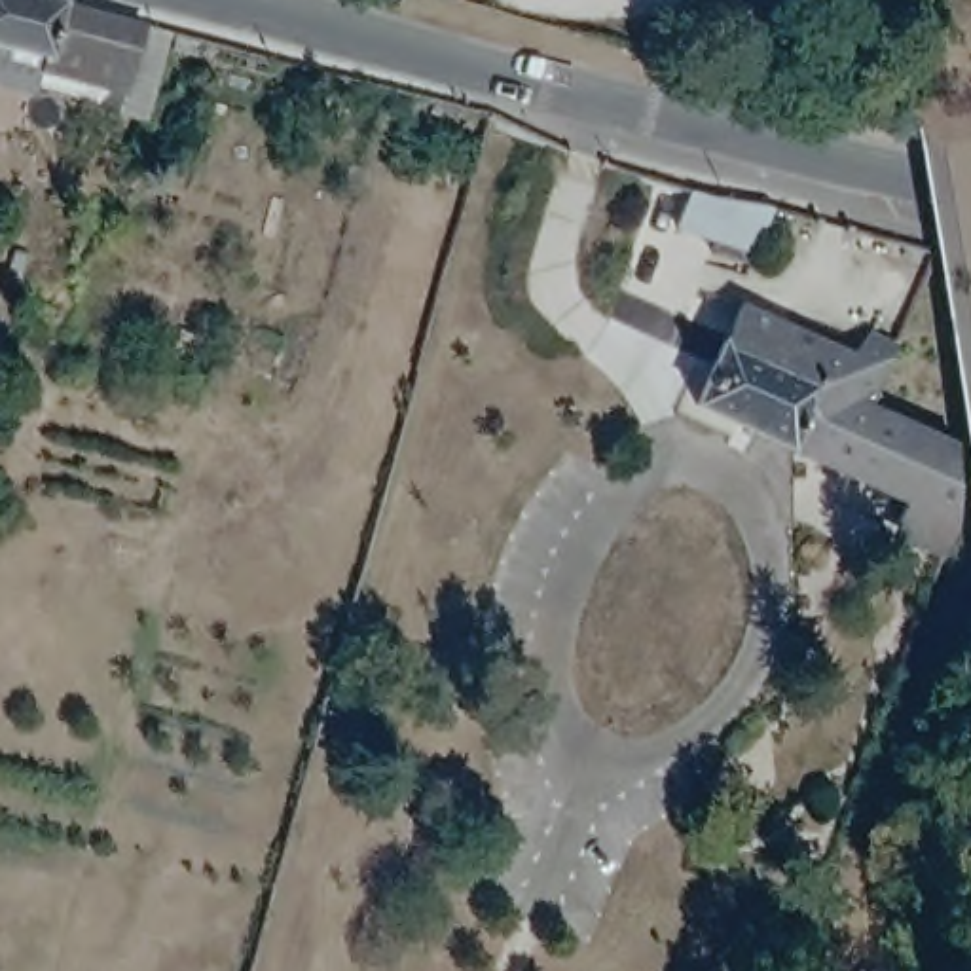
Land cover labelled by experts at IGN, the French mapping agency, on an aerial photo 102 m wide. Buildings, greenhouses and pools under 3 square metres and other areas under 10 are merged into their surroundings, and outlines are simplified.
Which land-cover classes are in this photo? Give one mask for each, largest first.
<instances>
[{"label":"herbaceous vegetation","instance_id":"1","mask_svg":"<svg viewBox=\"0 0 971 971\"><path fill-rule=\"evenodd\" d=\"M334 11L345 15H376L497 53L542 46L558 57H569L580 72L641 87L649 102H660L664 95L645 72L649 61L664 57L656 49V15L645 27L630 15L565 19L527 11L504 0H334ZM952 27L944 30V68L956 91L971 87V0H948ZM417 114L451 118L474 129V110L413 95ZM0 182L19 186H53L64 212H76L80 193H110L125 205L156 201V224L121 258L125 284L133 292L118 296L102 319V338L118 345L129 322H148L159 311H167V322L186 319V330L174 338V345L182 349L193 341V330H201L205 315L239 319L247 315L281 322L288 353H269L262 345H243L235 353L231 368L212 372L209 394L193 410L178 402L159 406L156 398L140 394H114L106 402L99 387H72L64 379H53L46 368V353L27 345L23 357L34 368L42 402L19 421L11 444L0 440V467L15 486V501H23L34 520L30 531H19L0 546V751L46 762H80L99 781V808L0 785V808L27 819L106 831L114 838L110 853H95L64 842H30L19 831H0V971H235L250 910L258 899L266 850L281 819L288 770L300 747V724L322 671L319 668L307 626L315 622L322 603H338L345 588L376 467L383 459V444L394 421V387L410 360V341L425 303L436 247L455 201V186L451 174H429L425 182L394 178L379 159L368 167H353L345 186L330 193L322 186V174L311 167L284 174L269 163L266 133L254 121V114H235L231 106L216 102L209 137L201 152H182V163H174L163 174L106 178L102 171L80 174L68 163H57V133L53 125L30 121V114L19 129H0ZM220 224L243 228L247 243L254 247L258 288H235L224 303H209L201 300L205 262H197V247H205ZM49 421L99 429L137 448L174 451L178 470L102 455L91 451V444L46 440L42 425ZM42 474L83 478L87 486L110 489L118 497H152V482L159 478L171 482V497L163 501V512L152 520H110L91 501L64 493L49 497ZM11 690L34 694L38 728L11 724L4 709ZM922 133L944 152L956 140H971V114H948L937 102L922 106ZM512 144L493 129H486V137L470 186L467 212L444 269L398 459L360 577V584L387 603V614L398 622L406 641H429L432 660L448 671L459 664H482L489 671L486 645L501 641L512 630L508 611L493 599V577L508 531L516 527L527 497L565 455L588 459L595 451V463L603 467L614 440L633 432L637 425V417L626 410L622 391L580 353L558 360L535 357L516 334L493 326L482 292L489 197ZM846 144H880L891 152H907V144L884 129H861L834 137V152ZM641 178L633 171H614L599 163L595 201L588 209L577 258L592 243H618L630 250L633 231L614 228L607 220V201L622 186H637ZM899 334V353L891 357V394H880L884 410L903 413L933 432H944L960 448L963 535L956 558L944 561L929 603L918 614H907L899 633V652L907 656V687L899 709L884 728L880 759L872 762L865 793L853 800L850 842L857 857H869L872 827L888 823L899 812L903 789L910 785L903 774L910 770L907 747L914 743V721L929 705L933 687L948 679V668L963 660V649L971 645V436L960 391L952 315L944 296L941 247L933 243L922 250V262L907 284V296L891 326ZM30 266L27 254L8 250V258L0 262V311H8V303H19L27 288L19 273ZM759 569L747 558L736 516L721 497L705 489L671 486L668 497L652 501L633 523H622L614 531L611 550L603 554V561L592 565L577 603L580 618L573 660L584 709L577 713L611 743L668 740V724H679L687 732V717L724 687L743 649V637L759 626V603L743 599V584ZM850 595L842 584L834 588L827 592V607L815 618L804 614L781 618L766 630V683L781 694L793 683H831L842 671V702L827 717L804 721L785 702L774 721L778 728L770 789L774 800L759 823L762 846L740 869H705L690 880L683 872V838L671 827V819L649 827V834H641L630 846L622 869L611 876V891L592 933H569L550 948L539 941L527 952V960L539 971H736V952L766 941L770 914L781 907L778 895L797 880L781 872V865L804 857L808 842L800 838V831H797V827H793V808H797V804H804V808H808L831 778H846V770L853 766V743L865 728V705L869 694H876V683L880 656L872 637H850L834 626L831 611H842ZM402 743L432 755L425 770L432 778L451 781L459 808L489 819L501 808L486 774L501 755L486 747L482 724L463 705L455 709L448 728H432L413 713L394 728ZM440 869V850H429L413 834L410 812L368 819L345 797H338L326 778L322 747L311 751V766L303 778L300 808L292 819L254 971H467L451 960V952L432 948L429 941L406 944L379 922L387 891L410 876H432ZM903 869L922 888V918L910 929L922 971H971V948L952 944V903L963 884L960 861L944 850V827H925L918 842L903 846ZM455 922L470 937H478V944L489 956L504 937L474 914L467 891L448 895Z\"/></svg>","mask_w":971,"mask_h":971},{"label":"deciduous trees","instance_id":"2","mask_svg":"<svg viewBox=\"0 0 971 971\"><path fill-rule=\"evenodd\" d=\"M709 11L656 15V49L664 57L649 61L645 72L664 95L675 99L679 114L687 118L721 121L724 129H736L743 137H762L812 156L834 152V137L861 129H884L907 144L922 133V106L937 102L933 80L944 68V30L952 27L948 0H702ZM216 80V68L209 61L182 57L167 68L159 87V110L152 121H125L121 110L110 102H91L83 118L68 121V129L57 133V163H68L80 174L102 171L106 178L163 174L174 163H182V152H201L209 137L197 125V102H205ZM254 121L266 133L269 163L284 174L311 167L322 174V186L330 193L345 186L353 167H368L379 159L394 178L425 182L429 174H451L455 186H470L486 137L474 129L451 118L417 114L413 95L406 83L322 68V80H303L292 99L266 83L254 99ZM19 186L0 182V235H19L23 228V201L15 197ZM645 212V190L637 186H622L607 201V220L614 228L633 231ZM751 269L766 277H778L793 262L789 224L774 220L755 235L747 250ZM630 250L618 243H592L577 258L580 292L599 315L611 319L618 300L626 296L622 281ZM186 330V319L167 322V311H159L148 322H129L118 345L102 338V319L87 330L72 322L49 326L42 315V296L27 288L19 303H8V311H0V440L11 444L19 421L42 402L34 368L23 357L27 345L46 353V368L53 379H64L72 387H99L106 402L114 394H140L156 398L159 406L178 402L193 410L209 394L212 372L231 368L235 353L239 319L205 315L201 330H193V341L182 349L174 345V338ZM652 444L637 425L633 432L614 440L603 467L611 478L622 482L649 467ZM34 520L23 501H15V486L0 467V546L19 531H30ZM944 561L914 558L907 542L888 561L869 565V573H846L838 565L834 588L842 584L850 595L842 611H831L834 626L850 637H872V592H899L907 614H918L929 603ZM489 671L482 664H459L448 671L432 660L429 641H406L398 622L387 614L372 626V633L349 637L338 649V656L319 668L322 671L338 675V709L322 724V747L326 778L338 797H345L368 819L410 812L413 834L429 850H440V869L432 876H410L387 891L379 922L406 944L429 941L432 948L451 952V960L467 971H493L489 956L478 944V937H470L455 922L448 895L467 891L474 914L504 937L516 933V907L497 880L520 850V831L501 808L489 819L459 808L451 781L432 778L425 770L432 755L402 743L394 728L413 713L432 728H448L455 709L463 705L482 724L486 747L501 755H535L550 740L546 721L558 709V694H546L550 675L542 660L523 652V641L512 630L501 641L486 645ZM910 770L903 774L910 785L903 789L899 812L888 823L872 827L869 857H857L865 907L872 914L869 941L884 944L888 952H899L907 971H922L910 929L922 918V888L903 869V846L918 842L925 827H944V850L960 861L963 884L952 903V944L971 948V645L963 649V660L948 668V679L933 687L929 705L914 721V743L907 747ZM907 687V668H899L888 683H876V694H869L865 705V728L853 743V766L846 770V778H831L808 808L815 823H831V838H827V842H808L804 857L781 865V872L797 880L778 895L781 907L770 914L766 941L736 952V971H846L853 956L846 952L850 929H838L834 922L850 914L846 891H838V846L850 842L853 800L865 793L872 762L880 759L884 728L899 709ZM755 717L728 740V762L721 766V793L713 797V804L690 815L675 812L671 819V827L683 838V872L690 880L705 869H740L762 846L759 823L774 800L770 789L751 785V770L736 759L759 740L762 721H774L785 702L781 694L766 683L762 694L751 702ZM4 709L11 724L38 728L34 694L11 690ZM0 785L99 808V781L80 762H46L0 751ZM0 831H19L30 842H64L95 853H110L114 838L106 831L27 819L0 808Z\"/></svg>","mask_w":971,"mask_h":971},{"label":"impervious surface","instance_id":"3","mask_svg":"<svg viewBox=\"0 0 971 971\"><path fill-rule=\"evenodd\" d=\"M83 11L114 19H129L133 11L148 19L152 34L144 49V68L133 91L125 95L121 110L125 121H152L159 110V87L167 68L182 57L209 61L216 49H228V42H247L296 61H315L322 68L406 83L413 95L474 110V129L486 137V129H493L512 144L520 140L531 148H550L554 159V193L546 201L542 228L535 239L527 292L531 303L546 315V322L561 338L577 341L580 353L622 391L626 410L637 417V425L652 444L649 467L622 482L611 478L603 467L595 463V451L588 459L565 455L527 497L516 527L508 531L493 577V599L508 611L512 630L523 641V652L542 660L550 675L546 694H558V709L546 721L550 740L535 755H501L486 774L501 808L520 831V850L497 880L516 907V925L531 922L539 941L550 948L569 933H592L611 891V876L622 869L630 846L641 834H649V827L671 819L675 812L690 815L713 804V797L721 793V766L728 762V740L755 717L751 702L762 694L766 683V630L781 618L804 614V573H793L789 558L793 527L800 523L793 508L797 478L789 474V463H797V444L778 440L766 429H751L698 402L705 379H717L713 357L724 345V338L709 330L698 315L687 319L649 300L626 296L618 300L611 319L599 315L580 292L577 258L588 209L595 201L599 163L595 156L611 152L637 167H656L668 174L717 186L762 190L793 205L846 212L895 231H922V250L933 243L941 247L944 296L952 315L960 391L971 436V140H956L944 152L922 133L907 144V152H891L880 144H846L834 152L812 156L762 137H743L736 129H724L721 121L687 118L679 114L675 99L664 95L660 102H649L641 87L580 72L569 57H558L542 46L497 53L376 15H345L334 11V0H68ZM671 486L705 489L721 497L736 516L747 558L759 569L743 584V599L759 603V626L743 637V649L724 687L687 717V732L679 724H668V740L611 743L577 713L584 709L573 660L580 618L577 603L592 565L603 561V554L611 550L614 531L622 523H633L652 501L668 497ZM91 102L46 95L30 102L23 91L0 87V129H19L30 114V121L53 125L57 133L68 129V121L83 118ZM778 728L774 721H762L759 740L736 759L751 770V785L770 789Z\"/></svg>","mask_w":971,"mask_h":971},{"label":"brushwood","instance_id":"4","mask_svg":"<svg viewBox=\"0 0 971 971\"><path fill-rule=\"evenodd\" d=\"M216 68V80L205 102H197V125L209 137L216 102L231 106L235 114H254V99L266 83L292 99L303 80H322V68L315 61H296L247 42H228V49H216L209 61ZM937 102L948 114H971V87L956 91L944 68L933 80ZM554 193V159L550 148H531L520 140L512 144L489 197L482 292L493 326L516 334L535 357L558 360L580 353L577 341L561 338L546 322V315L531 303L527 292L535 239L542 228L546 201ZM15 197L23 201V228L19 235H0V262L8 258V250L27 254L30 266L19 273L27 288L42 296V315L49 326L72 322L87 330L102 319L118 296L133 292L125 284L121 258L156 224V201L125 205L110 193H80L76 212H64L53 186H19ZM470 186H455V201L436 247L425 303L410 341V360L394 387V421L383 444V459L376 467L345 588L338 603H322L315 622L307 626L319 668L338 656V649L349 637L372 633V626L387 614V603L360 584V577L398 459L444 269L467 212ZM197 262H205L201 300L209 303H224L235 288H258L254 247L247 243L243 228L220 224L205 247H197ZM243 345H262L269 353H288L281 322L247 315L239 319L235 353ZM46 440L91 444V451L102 455L178 470L174 451L137 448L99 429L49 421L42 425ZM49 497L64 493L91 501L110 520H152L163 512V501L171 497V482L159 478L152 482V497H118L110 489L87 486L83 478L42 474ZM804 546L834 550V535H815L808 523H800L793 527L789 558L793 573H812V565L804 558ZM338 709V675L322 671L300 724V747L288 770L281 819L266 850L258 899L250 910L235 971H254L292 819L300 808L303 778L311 766V751L322 747V724Z\"/></svg>","mask_w":971,"mask_h":971},{"label":"pervious surface","instance_id":"5","mask_svg":"<svg viewBox=\"0 0 971 971\"><path fill-rule=\"evenodd\" d=\"M527 11L565 19L630 15L645 27L656 15L709 11L702 0H504ZM599 163L614 171H633L641 178L637 186L645 190V212L633 231L630 250L622 281L626 296L649 300L687 319L698 315L709 330L724 338L732 334L743 303L762 307L774 319H785L846 349H861L872 326H891L907 296V284L922 262V231H895L846 212L793 205L762 190L717 186L668 174L656 167H637L611 152L595 156ZM694 193H709L728 201H751L774 209V220L789 224L793 262L778 277H766L751 269L747 250L728 243L705 247L698 235H687L675 220L683 216L687 201ZM789 474L797 478L793 508L800 523H808L815 535H834V550L804 546V558L812 565V573H804V614L815 618L827 607V592L834 588L838 565L846 573H869V565L888 561L907 542V504L899 497L880 489L861 493L853 478H842L838 470L819 474V463L797 444V463H789ZM872 637L880 656L876 683H888L899 668H907V656L899 652V633L907 614L899 592H872ZM793 827H797V831H800V838L808 842H827V838H831V823H815L808 808H804V804H797V808H793ZM838 891H846L850 914L834 922L838 929H850L846 952L853 956L846 971H907L899 952H888L884 944L869 941L872 914L865 907L857 857L850 842L838 846ZM539 941L531 922L516 925V933L504 937L489 956L493 971H539L527 960V952Z\"/></svg>","mask_w":971,"mask_h":971},{"label":"building","instance_id":"6","mask_svg":"<svg viewBox=\"0 0 971 971\"><path fill-rule=\"evenodd\" d=\"M152 34L148 19L133 11L129 19H114L83 11L68 0H0V87L23 91L30 102L46 95L91 102H110L121 110L125 95L133 91L144 68V49ZM687 235H698L705 247L728 243L747 250L755 235L774 220V209L751 201H728L709 193H694L687 201L683 216L675 220ZM899 353V334L891 326H872L861 349H846L785 319H774L762 307L743 303L732 334L724 338V345L713 357L717 379H705L698 402L751 429H766L778 440L797 444L819 463V474L838 470L842 478H853L861 493L880 489L899 497L907 504V542L914 558L944 561L956 558L963 535L960 448L944 432H933L903 413L884 410L880 394H891V357Z\"/></svg>","mask_w":971,"mask_h":971},{"label":"coniferous trees","instance_id":"7","mask_svg":"<svg viewBox=\"0 0 971 971\"><path fill-rule=\"evenodd\" d=\"M785 702L804 721L827 717L842 702V671L831 683H793L781 694Z\"/></svg>","mask_w":971,"mask_h":971}]
</instances>
